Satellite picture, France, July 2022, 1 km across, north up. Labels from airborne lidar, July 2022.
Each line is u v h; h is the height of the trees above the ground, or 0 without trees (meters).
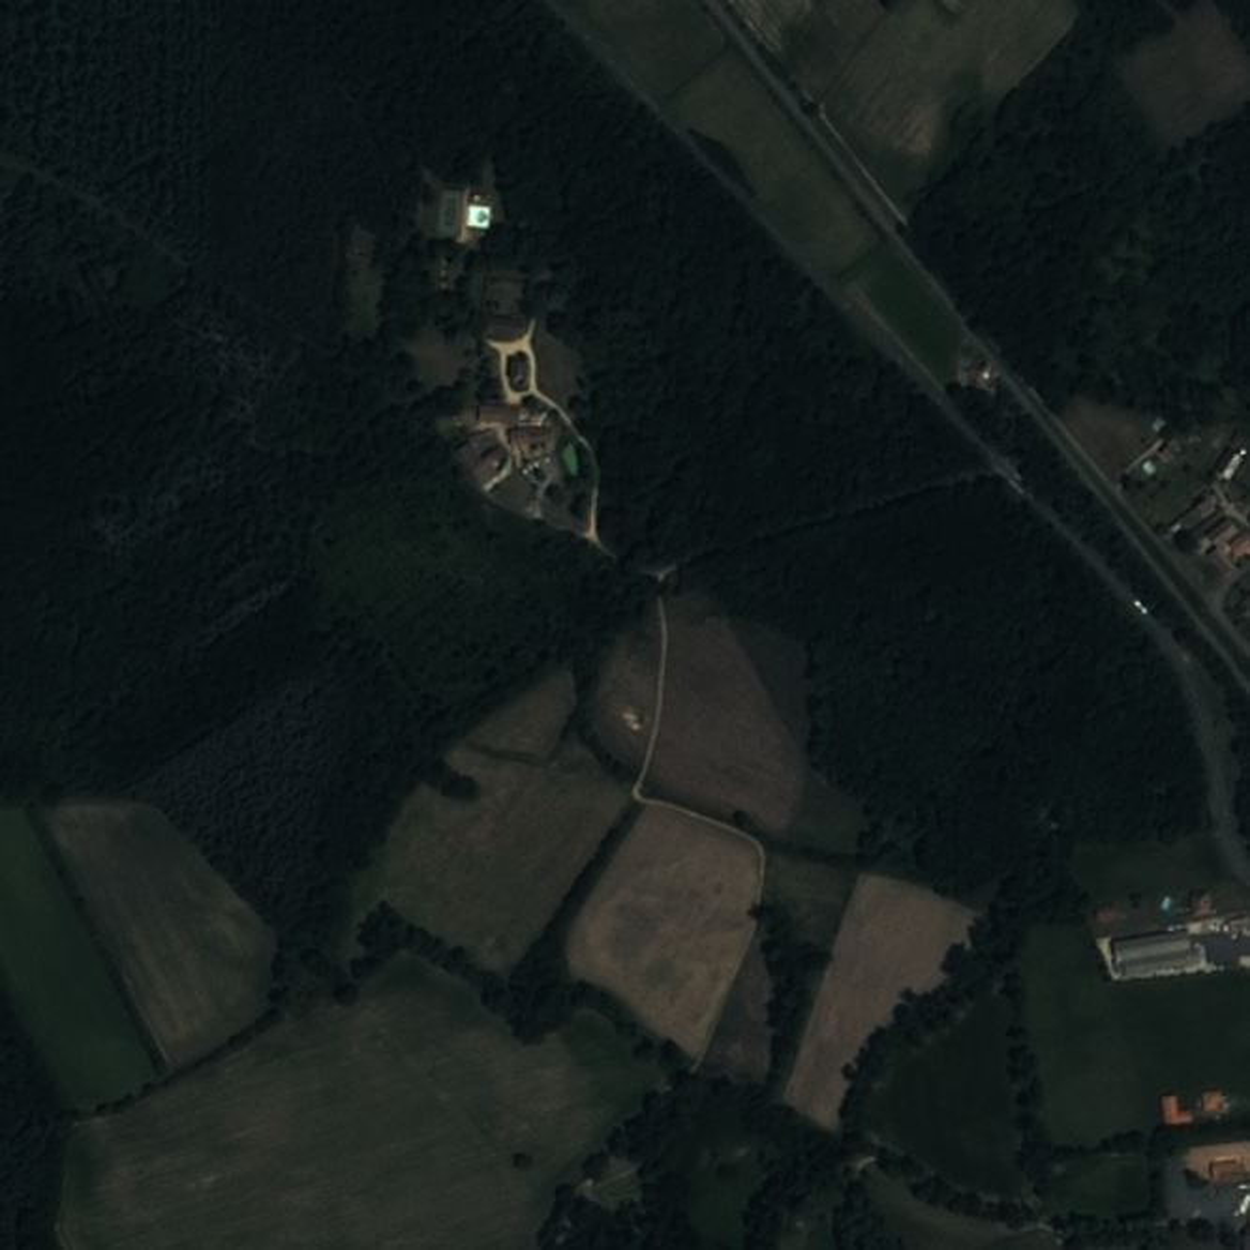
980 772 25
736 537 18
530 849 0
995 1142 0
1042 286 19
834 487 13
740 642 0
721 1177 6
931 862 23
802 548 16
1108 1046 0
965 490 16
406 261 21
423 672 11
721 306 12
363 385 15
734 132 0
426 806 0
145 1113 0
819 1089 0
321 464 18
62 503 17
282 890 23
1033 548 18
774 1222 23
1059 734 20
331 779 17
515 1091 0
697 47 0
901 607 22
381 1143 0
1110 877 0
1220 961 0
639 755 0
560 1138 0
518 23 15
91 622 12
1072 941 0
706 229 20
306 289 16
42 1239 15
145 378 13
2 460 21
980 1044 0
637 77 0
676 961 0
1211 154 20
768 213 0
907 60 0
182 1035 0
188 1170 0
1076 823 14
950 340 0
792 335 17
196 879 0
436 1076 0
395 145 20
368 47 27
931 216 14
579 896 7
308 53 23
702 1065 0
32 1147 22
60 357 14
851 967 0
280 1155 0
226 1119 0
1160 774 18
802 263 0
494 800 0
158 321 10
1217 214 17
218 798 14
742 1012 0
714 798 0
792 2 0
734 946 0
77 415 19
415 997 0
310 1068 0
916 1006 23
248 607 17
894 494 7
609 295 16
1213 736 0
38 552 12
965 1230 0
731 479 17
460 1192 0
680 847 0
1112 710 14
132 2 24
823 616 16
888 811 21
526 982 6
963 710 22
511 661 10
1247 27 10
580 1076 0
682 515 16
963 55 0
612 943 0
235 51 16
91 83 19
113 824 0
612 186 10
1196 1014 0
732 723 0
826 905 0
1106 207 13
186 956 0
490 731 0
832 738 15
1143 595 17
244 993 0
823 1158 12
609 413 17
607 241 16
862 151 0
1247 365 11
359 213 18
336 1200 0
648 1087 0
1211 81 0
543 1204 0
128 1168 0
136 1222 0
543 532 12
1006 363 8
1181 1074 0
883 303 0
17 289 19
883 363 7
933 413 19
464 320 13
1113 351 13
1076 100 7
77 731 12
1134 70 0
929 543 25
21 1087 15
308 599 20
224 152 18
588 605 16
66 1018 0
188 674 15
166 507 14
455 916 0
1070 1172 0
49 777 9
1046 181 18
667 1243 18
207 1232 0
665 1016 0
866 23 0
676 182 14
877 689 17
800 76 0
